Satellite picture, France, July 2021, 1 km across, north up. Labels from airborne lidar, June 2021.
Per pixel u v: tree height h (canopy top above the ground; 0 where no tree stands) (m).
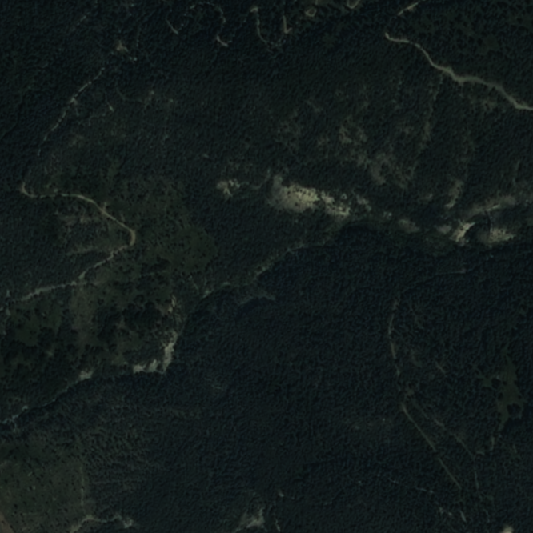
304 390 18
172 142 10
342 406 12
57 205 15
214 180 11
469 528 13
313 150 9
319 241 8
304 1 8
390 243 19
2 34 18
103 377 6
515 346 13
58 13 17
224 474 10
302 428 15
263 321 19
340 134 10
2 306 8
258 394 19
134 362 11
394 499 16
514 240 7
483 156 9
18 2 15
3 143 14
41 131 13
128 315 14
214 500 7
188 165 12
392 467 8
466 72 7
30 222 13
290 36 7
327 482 16
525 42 25
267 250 9
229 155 13
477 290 23
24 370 14
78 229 10
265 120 6
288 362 15
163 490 7
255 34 12
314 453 16
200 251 8
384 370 15
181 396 13
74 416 18
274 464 20
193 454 9
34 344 0
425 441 8
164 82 9
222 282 10
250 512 7
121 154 10
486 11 22
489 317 29
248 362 12
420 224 6
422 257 20
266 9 13
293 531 15
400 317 8
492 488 8
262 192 10
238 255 11
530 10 20
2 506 0
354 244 16
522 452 10
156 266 8
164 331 6
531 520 9
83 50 13
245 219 13
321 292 16
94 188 6
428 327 24
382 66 10
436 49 20
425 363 10
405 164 9
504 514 9
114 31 13
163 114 10
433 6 18
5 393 8
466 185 9
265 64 22
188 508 9
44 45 12
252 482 6
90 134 10
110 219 10
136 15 19
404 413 8
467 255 15
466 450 12
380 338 6
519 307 27
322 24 8
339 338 14
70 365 12
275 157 11
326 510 15
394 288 18
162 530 6
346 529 9
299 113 7
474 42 21
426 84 6
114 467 8
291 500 14
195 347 9
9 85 16
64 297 10
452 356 15
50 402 7
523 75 11
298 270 13
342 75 9
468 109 9
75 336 16
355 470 16
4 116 12
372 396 14
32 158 9
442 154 7
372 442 7
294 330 17
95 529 6
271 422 14
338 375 17
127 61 18
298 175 10
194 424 9
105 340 10
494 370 24
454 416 22
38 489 0
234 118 11
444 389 8
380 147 9
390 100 9
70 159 8
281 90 9
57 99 8
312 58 15
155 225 12
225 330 11
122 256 12
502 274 22
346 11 0
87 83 8
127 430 9
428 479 19
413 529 8
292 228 9
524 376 12
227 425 9
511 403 0
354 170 13
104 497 8
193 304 11
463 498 9
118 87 10
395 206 13
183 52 13
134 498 8
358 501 10
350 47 28
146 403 11
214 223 18
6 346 13
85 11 10
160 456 6
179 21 16
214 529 7
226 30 13
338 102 10
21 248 8
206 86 15
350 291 15
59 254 11
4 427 9
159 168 14
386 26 8
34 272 10
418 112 11
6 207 13
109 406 16
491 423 10
